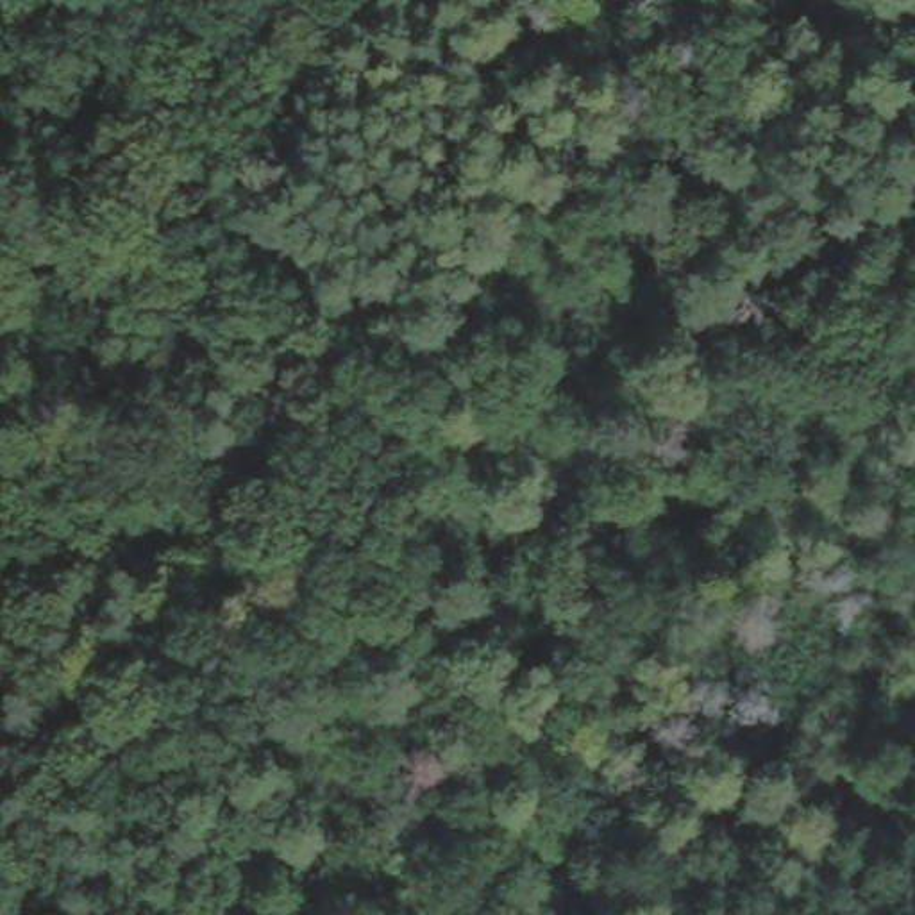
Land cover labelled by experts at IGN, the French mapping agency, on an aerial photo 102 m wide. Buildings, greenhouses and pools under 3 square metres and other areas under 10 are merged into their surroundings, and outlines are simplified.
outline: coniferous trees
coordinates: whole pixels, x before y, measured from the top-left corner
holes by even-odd
[[[440,658],[432,651],[432,640],[443,629],[458,629],[461,622],[483,618],[490,611],[486,583],[468,568],[461,583],[454,583],[443,593],[432,622],[411,625],[393,643],[400,654],[397,668],[365,683],[368,726],[400,726],[407,718],[407,708],[418,704],[422,715],[447,715],[447,729],[454,729],[454,747],[447,747],[436,761],[400,754],[390,786],[382,793],[368,793],[375,801],[379,829],[393,833],[397,840],[407,826],[422,822],[418,793],[425,786],[436,786],[454,772],[465,776],[468,768],[500,765],[508,754],[508,736],[518,733],[522,740],[536,740],[543,715],[558,701],[547,668],[533,668],[529,686],[522,693],[511,693],[504,686],[508,672],[515,668],[515,654],[508,651],[497,654],[497,661],[475,661]]]
[[[522,793],[515,804],[508,804],[497,793],[497,826],[522,833],[536,815],[540,797]]]
[[[858,122],[851,129],[840,122],[836,111],[815,107],[801,125],[797,150],[776,154],[768,161],[772,193],[747,207],[740,239],[729,250],[722,250],[718,272],[708,279],[693,275],[690,290],[676,300],[679,322],[693,329],[722,322],[758,322],[761,307],[747,297],[751,282],[793,268],[801,257],[815,254],[833,236],[858,236],[865,222],[894,225],[911,214],[915,200],[915,136],[908,143],[894,143],[883,136],[883,129],[915,97],[915,93],[908,82],[894,82],[894,75],[883,64],[872,64],[869,79],[858,79],[851,86],[854,104],[876,107],[869,122]]]
[[[761,75],[754,75],[747,118],[772,114],[786,97],[786,68],[779,61],[768,61]]]
[[[636,7],[625,7],[629,39],[643,39],[654,21],[665,21],[668,0],[640,0]]]
[[[786,54],[801,57],[804,50],[818,46],[818,36],[811,32],[808,18],[797,18],[790,25]]]
[[[325,836],[322,829],[297,829],[293,836],[279,840],[272,854],[307,869],[322,851]]]
[[[665,461],[683,461],[686,429],[704,415],[708,404],[708,375],[701,361],[693,354],[676,354],[647,361],[622,379],[629,393],[651,400],[654,415],[668,418],[668,436],[658,443],[658,458]]]
[[[318,304],[332,307],[336,315],[350,311],[350,300],[425,300],[429,315],[422,322],[407,322],[404,343],[411,350],[440,350],[447,336],[458,332],[461,307],[479,293],[483,275],[504,268],[511,239],[518,232],[518,214],[500,211],[497,193],[511,193],[525,204],[536,204],[536,214],[547,218],[547,211],[565,193],[561,143],[568,139],[572,147],[586,147],[590,161],[608,161],[611,154],[618,154],[618,143],[629,136],[633,118],[643,111],[643,93],[615,93],[615,75],[604,75],[604,86],[597,93],[586,93],[579,75],[565,75],[561,64],[550,64],[540,82],[508,93],[504,104],[493,111],[472,107],[472,100],[479,97],[479,64],[497,57],[518,36],[522,18],[533,18],[536,25],[547,14],[543,0],[365,0],[354,11],[354,18],[343,29],[332,29],[332,36],[318,50],[315,64],[332,71],[318,82],[315,93],[297,97],[297,111],[311,122],[300,136],[304,161],[311,164],[307,186],[282,193],[282,200],[268,211],[247,211],[243,218],[229,222],[229,229],[254,236],[254,243],[264,250],[293,257],[300,268],[329,261],[336,279],[318,293]]]
[[[758,844],[754,865],[736,865],[729,879],[690,879],[676,894],[672,911],[643,908],[633,915],[736,915],[747,897],[758,894],[761,876],[772,876],[783,894],[797,894],[804,876],[818,872],[818,854],[829,844],[836,822],[829,811],[808,804],[801,783],[793,786],[793,779],[747,776],[740,758],[718,747],[718,740],[729,736],[736,726],[779,722],[779,711],[765,697],[743,701],[726,686],[686,686],[690,672],[683,665],[643,661],[636,676],[636,701],[647,729],[615,733],[608,740],[600,765],[593,765],[593,804],[647,826],[668,854],[676,854],[686,840],[697,836],[708,811],[722,808],[747,822],[772,826],[779,836],[772,844]]]
[[[833,543],[786,533],[772,540],[772,550],[761,561],[754,561],[743,575],[701,586],[693,625],[668,633],[672,651],[708,651],[718,643],[722,633],[733,633],[743,647],[758,651],[772,643],[772,636],[783,640],[804,622],[836,629],[854,625],[854,618],[872,600],[869,586],[851,586],[854,558]]]
[[[747,186],[754,179],[754,150],[733,150],[718,143],[715,150],[701,154],[701,164],[693,172],[729,189]]]
[[[490,536],[508,536],[540,525],[540,500],[554,497],[554,479],[533,472],[515,490],[493,497]]]
[[[18,139],[54,136],[54,129],[61,129],[64,122],[64,114],[39,111],[18,100],[18,93],[36,86],[32,68],[25,64],[29,39],[68,32],[71,7],[61,7],[57,0],[0,0],[0,154],[7,154]]]
[[[886,411],[890,418],[897,418],[894,465],[915,465],[915,404],[894,404]]]
[[[475,418],[468,411],[458,411],[443,425],[447,443],[479,443]]]

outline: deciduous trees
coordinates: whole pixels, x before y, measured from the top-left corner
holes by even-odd
[[[915,136],[915,97],[883,129],[883,136],[894,143],[908,143]]]
[[[458,332],[447,336],[440,350],[411,350],[404,343],[407,322],[422,322],[429,315],[425,300],[350,300],[350,311],[336,315],[332,307],[318,304],[318,293],[336,279],[329,261],[300,268],[293,257],[264,250],[254,243],[254,236],[229,229],[229,222],[243,218],[247,211],[268,211],[282,200],[282,193],[307,186],[311,164],[304,161],[300,136],[311,122],[297,111],[297,97],[315,93],[318,82],[332,71],[315,64],[318,50],[332,36],[332,29],[343,29],[354,18],[354,11],[365,0],[57,0],[61,7],[71,7],[68,32],[29,39],[25,64],[32,68],[36,86],[18,93],[18,100],[39,111],[64,114],[64,122],[61,129],[54,129],[54,136],[18,139],[7,154],[0,154],[0,915],[633,915],[643,908],[672,911],[676,894],[690,879],[729,879],[736,865],[754,865],[758,844],[772,844],[779,836],[772,826],[747,822],[722,808],[708,811],[697,836],[686,840],[676,854],[668,854],[647,826],[593,804],[593,765],[600,765],[608,740],[615,733],[647,729],[636,701],[636,676],[643,661],[683,665],[690,672],[686,686],[726,686],[743,701],[765,697],[779,711],[779,722],[736,726],[729,736],[718,740],[718,747],[740,758],[747,776],[793,779],[793,786],[801,783],[808,804],[829,811],[836,822],[829,844],[818,854],[818,872],[804,876],[797,894],[783,894],[772,876],[761,876],[758,894],[747,897],[736,915],[915,915],[915,465],[894,465],[897,418],[890,418],[886,411],[894,404],[915,404],[915,200],[911,214],[894,225],[865,222],[858,236],[833,236],[815,254],[801,257],[793,268],[751,282],[747,297],[761,307],[758,322],[722,322],[693,329],[679,322],[676,300],[690,290],[693,275],[708,279],[718,272],[722,250],[729,250],[740,239],[747,207],[772,193],[768,161],[776,154],[797,150],[801,125],[815,107],[836,111],[840,122],[851,129],[858,122],[869,122],[876,107],[854,104],[851,86],[858,79],[869,79],[872,64],[883,64],[894,75],[894,82],[908,82],[915,93],[915,0],[668,0],[665,21],[654,21],[643,39],[629,39],[625,7],[636,7],[640,0],[543,0],[547,14],[536,25],[533,18],[522,18],[518,36],[497,57],[479,64],[479,97],[472,100],[472,107],[493,111],[504,104],[508,93],[540,82],[550,64],[561,64],[565,75],[579,75],[586,93],[597,93],[604,86],[604,75],[615,75],[615,93],[643,93],[643,111],[633,118],[629,136],[618,143],[618,154],[611,154],[608,161],[590,161],[586,147],[572,147],[568,139],[561,143],[565,193],[547,211],[547,218],[536,214],[536,204],[525,204],[511,193],[497,193],[500,211],[518,214],[518,232],[511,239],[504,268],[483,275],[479,293],[461,307]],[[808,18],[811,32],[818,36],[818,46],[804,50],[801,57],[786,54],[790,25],[797,18]],[[761,75],[768,61],[779,61],[786,68],[786,97],[772,114],[747,118],[754,75]],[[747,186],[729,189],[693,172],[701,164],[701,154],[715,150],[718,143],[733,150],[754,150],[754,179]],[[704,415],[686,429],[683,461],[665,461],[658,458],[658,443],[668,436],[668,418],[654,415],[651,400],[629,393],[622,379],[647,361],[676,354],[693,354],[701,361],[708,375],[708,404]],[[447,443],[443,425],[458,411],[468,411],[475,418],[479,443]],[[554,479],[554,497],[540,500],[540,525],[508,536],[490,536],[493,497],[515,490],[533,472]],[[733,633],[722,633],[718,643],[708,651],[672,651],[668,633],[693,625],[701,586],[743,575],[754,561],[761,561],[772,550],[772,540],[786,533],[833,543],[854,558],[851,586],[869,586],[872,600],[854,618],[854,625],[836,629],[804,622],[783,640],[772,636],[772,643],[758,651],[743,647]],[[447,715],[422,715],[418,704],[407,708],[407,718],[400,726],[368,726],[365,683],[397,668],[400,654],[393,643],[411,625],[432,622],[443,593],[454,583],[461,583],[468,568],[486,583],[490,611],[483,618],[461,622],[458,629],[443,629],[432,640],[432,651],[440,658],[475,661],[497,661],[497,654],[508,651],[515,654],[515,668],[508,672],[504,686],[511,693],[522,693],[529,686],[533,668],[547,668],[558,701],[543,715],[536,740],[522,740],[518,733],[508,736],[508,754],[500,765],[468,768],[465,776],[454,772],[436,786],[425,786],[418,793],[422,822],[407,826],[397,840],[393,833],[379,829],[375,801],[368,793],[382,793],[390,786],[400,754],[436,761],[447,747],[454,747],[454,729],[447,729]],[[522,793],[540,797],[536,815],[522,833],[497,826],[497,793],[508,804],[515,804]],[[272,854],[279,840],[293,836],[297,829],[322,829],[325,836],[322,851],[307,869]]]

